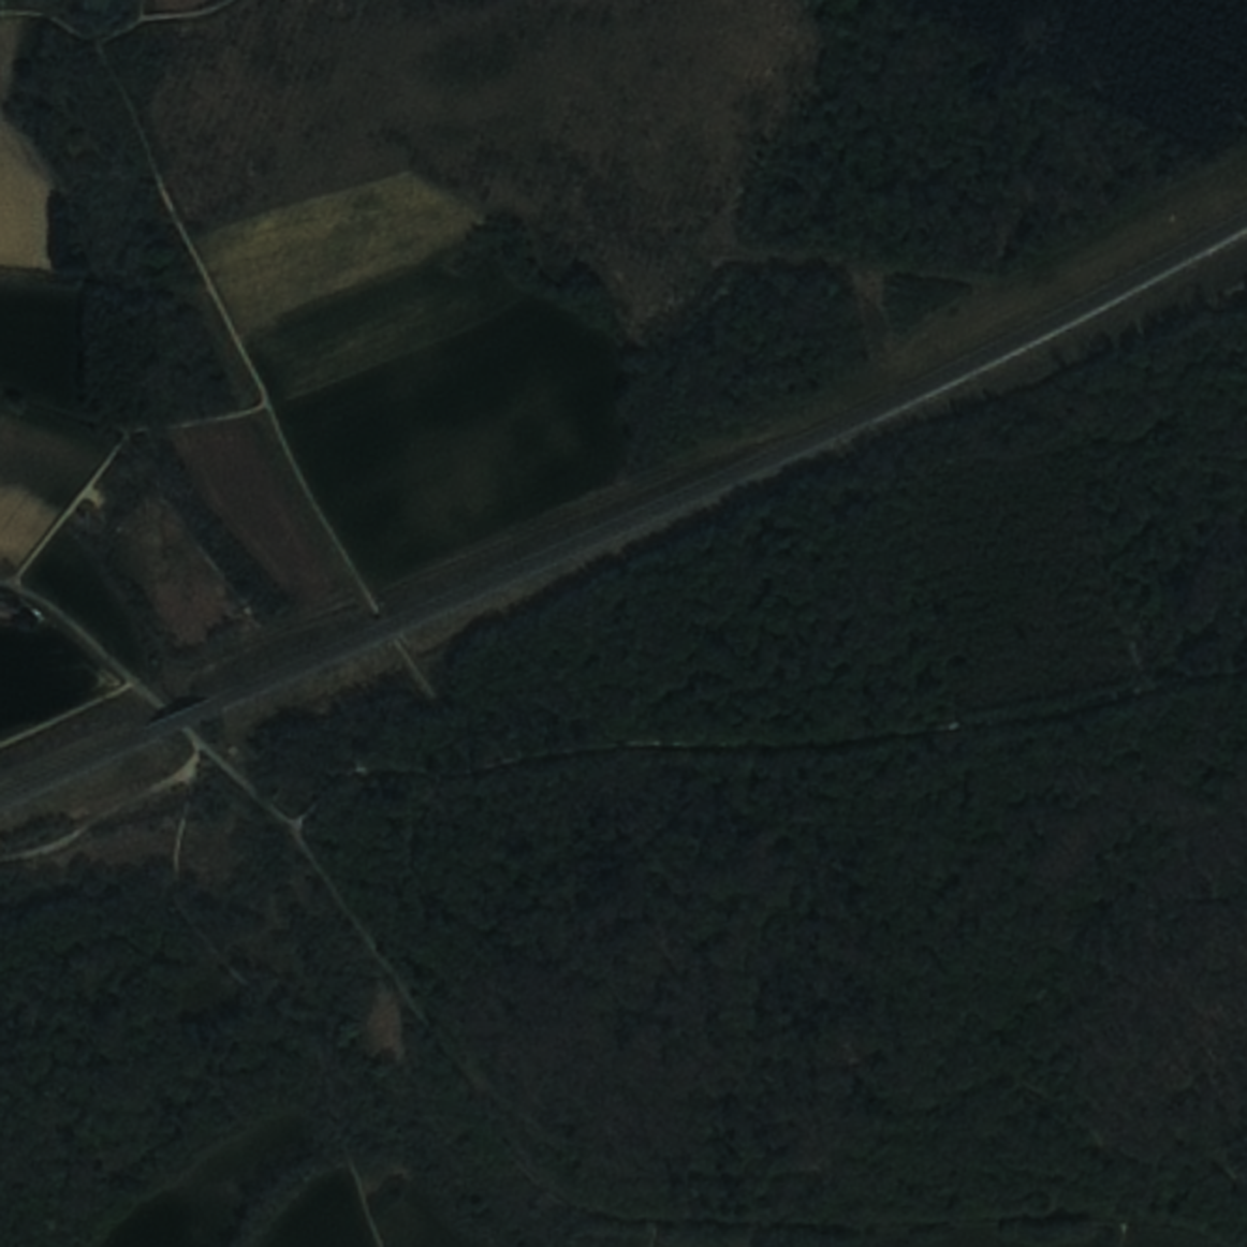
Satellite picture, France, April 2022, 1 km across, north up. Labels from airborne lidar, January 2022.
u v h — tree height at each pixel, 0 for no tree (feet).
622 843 79
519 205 0
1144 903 90
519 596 0
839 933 85
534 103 0
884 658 57
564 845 73
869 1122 80
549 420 0
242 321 0
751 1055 73
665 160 0
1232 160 0
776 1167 61
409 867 79
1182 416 69
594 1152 71
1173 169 94
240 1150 0
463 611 0
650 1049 86
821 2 82
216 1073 85
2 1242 84
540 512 0
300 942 25
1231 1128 81
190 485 52
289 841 52
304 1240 0
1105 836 90
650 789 87
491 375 0
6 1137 72
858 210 72
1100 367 81
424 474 0
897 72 82
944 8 79
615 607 67
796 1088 90
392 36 0
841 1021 84
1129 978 89
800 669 73
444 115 0
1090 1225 50
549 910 85
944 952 56
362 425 0
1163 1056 86
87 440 0
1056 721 60
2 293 0
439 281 0
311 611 0
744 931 84
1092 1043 90
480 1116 62
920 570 51
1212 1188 70
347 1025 40
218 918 69
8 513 0
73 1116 75
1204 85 61
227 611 0
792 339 81
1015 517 33
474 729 77
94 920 67
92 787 0
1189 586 104
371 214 0
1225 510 92
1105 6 73
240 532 0
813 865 81
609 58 0
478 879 83
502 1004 75
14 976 70
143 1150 77
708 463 0
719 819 81
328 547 0
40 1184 65
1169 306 0
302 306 0
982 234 84
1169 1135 81
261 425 0
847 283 38
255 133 0
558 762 87
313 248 0
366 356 0
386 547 0
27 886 18
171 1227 0
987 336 0
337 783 57
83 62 41
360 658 0
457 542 0
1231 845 89
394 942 73
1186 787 98
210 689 0
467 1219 24
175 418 59
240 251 0
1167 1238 0
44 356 0
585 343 0
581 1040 88
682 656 75
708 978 98
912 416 0
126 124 65
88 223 53
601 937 79
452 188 0
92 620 0
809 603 65
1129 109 72
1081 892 68
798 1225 39
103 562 43
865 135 81
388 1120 22
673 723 72
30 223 0
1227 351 73
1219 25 72
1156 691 80
